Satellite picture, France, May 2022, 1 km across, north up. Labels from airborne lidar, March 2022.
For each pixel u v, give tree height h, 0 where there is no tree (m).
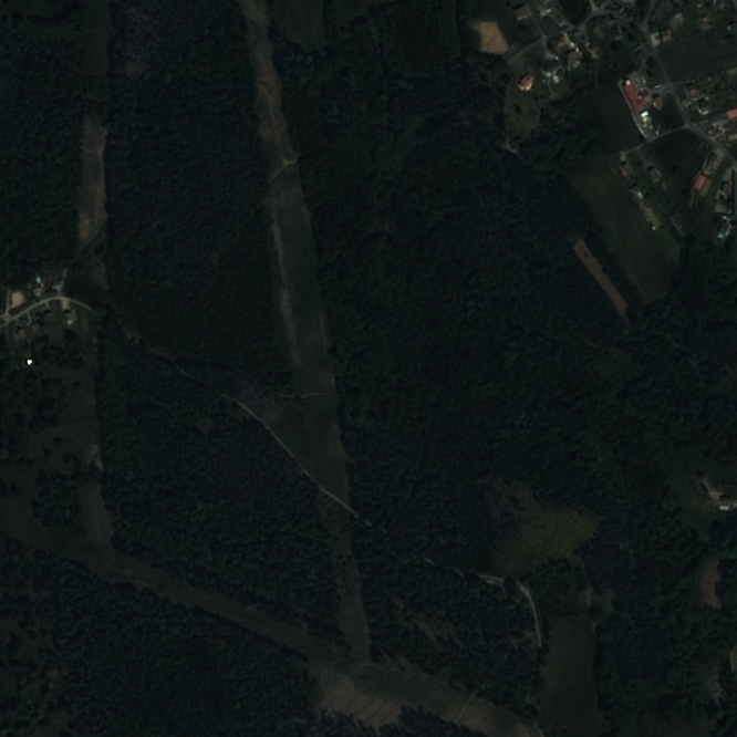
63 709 14
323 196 8
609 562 28
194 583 28
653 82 0
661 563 23
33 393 19
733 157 0
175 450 18
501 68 26
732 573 21
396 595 21
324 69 33
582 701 0
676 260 0
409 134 16
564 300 26
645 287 0
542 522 0
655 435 15
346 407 16
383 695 0
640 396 22
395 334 6
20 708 10
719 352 27
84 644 26
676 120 5
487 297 10
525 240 21
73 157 16
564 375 11
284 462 25
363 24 16
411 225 18
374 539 13
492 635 16
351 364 6
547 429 20
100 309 16
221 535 9
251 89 31
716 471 0
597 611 20
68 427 0
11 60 19
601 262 34
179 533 19
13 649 13
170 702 7
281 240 0
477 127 28
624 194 0
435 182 5
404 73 10
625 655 25
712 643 22
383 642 22
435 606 26
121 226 28
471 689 25
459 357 9
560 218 20
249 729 11
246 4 0
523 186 20
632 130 0
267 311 8
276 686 10
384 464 20
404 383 18
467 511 10
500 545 20
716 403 26
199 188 28
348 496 0
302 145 9
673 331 27
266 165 27
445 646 27
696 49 0
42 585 26
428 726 24
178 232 31
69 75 29
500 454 21
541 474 24
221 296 9
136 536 10
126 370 19
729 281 16
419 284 14
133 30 20
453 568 6
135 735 10
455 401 7
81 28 19
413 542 29
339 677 0
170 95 28
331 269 18
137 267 16
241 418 0
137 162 22
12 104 21
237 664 11
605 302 35
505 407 12
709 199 0
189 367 23
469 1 10
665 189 0
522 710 17
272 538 21
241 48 24
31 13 0
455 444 16
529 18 0
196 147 30
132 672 10
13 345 0
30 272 21
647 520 19
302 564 30
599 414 10
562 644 0
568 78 7
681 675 29
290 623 25
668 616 24
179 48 22
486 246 31
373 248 15
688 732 0
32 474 0
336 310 12
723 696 0
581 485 17
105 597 14
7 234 17
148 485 32
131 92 21
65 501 12
